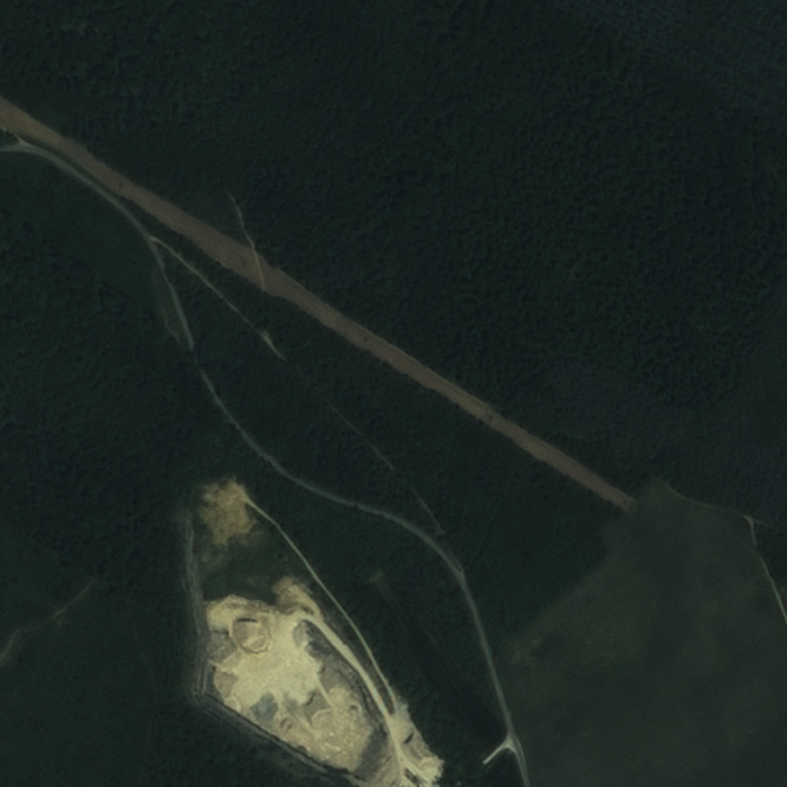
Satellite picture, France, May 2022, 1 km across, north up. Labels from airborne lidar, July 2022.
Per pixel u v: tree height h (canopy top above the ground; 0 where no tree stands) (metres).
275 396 20
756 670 0
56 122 22
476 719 0
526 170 15
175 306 0
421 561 16
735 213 20
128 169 19
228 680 0
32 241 29
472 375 17
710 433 13
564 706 0
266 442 21
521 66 13
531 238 13
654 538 0
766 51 23
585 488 8
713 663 0
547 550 12
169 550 15
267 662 0
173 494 8
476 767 21
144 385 23
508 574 7
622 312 15
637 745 0
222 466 15
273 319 12
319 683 0
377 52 13
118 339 23
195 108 18
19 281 22
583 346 5
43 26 24
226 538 0
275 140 13
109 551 17
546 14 21
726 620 0
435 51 19
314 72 14
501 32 19
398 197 19
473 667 15
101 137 20
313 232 12
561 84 18
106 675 0
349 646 0
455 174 8
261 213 16
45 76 28
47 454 18
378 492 17
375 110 16
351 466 19
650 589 0
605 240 14
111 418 18
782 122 21
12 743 0
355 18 17
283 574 0
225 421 19
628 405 14
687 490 14
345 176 15
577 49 17
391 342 7
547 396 12
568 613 0
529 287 12
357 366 11
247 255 0
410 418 13
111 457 22
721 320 13
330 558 20
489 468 11
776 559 12
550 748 0
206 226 0
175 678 6
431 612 18
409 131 17
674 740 0
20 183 10
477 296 16
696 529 0
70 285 26
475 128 19
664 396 9
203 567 0
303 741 0
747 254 16
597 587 0
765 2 20
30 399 20
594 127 16
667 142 16
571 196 7
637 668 0
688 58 20
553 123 16
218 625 0
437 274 14
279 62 14
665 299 19
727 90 18
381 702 0
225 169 12
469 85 17
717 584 0
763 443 15
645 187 18
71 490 24
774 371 14
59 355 18
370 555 18
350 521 15
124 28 28
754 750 0
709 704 0
